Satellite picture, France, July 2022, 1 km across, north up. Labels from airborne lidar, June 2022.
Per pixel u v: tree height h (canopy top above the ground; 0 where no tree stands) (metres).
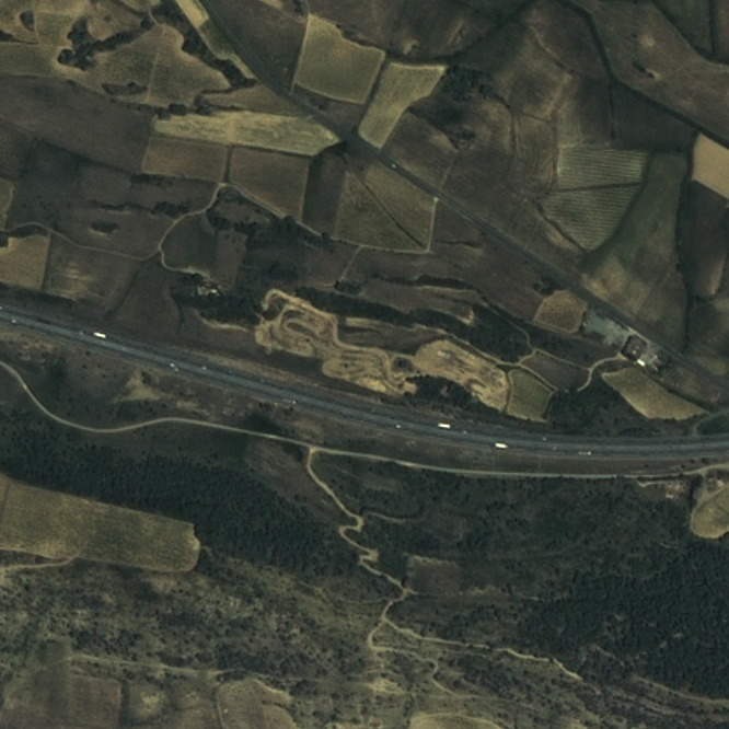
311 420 0
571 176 0
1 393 0
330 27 0
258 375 0
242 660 10
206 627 11
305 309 0
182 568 0
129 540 0
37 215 0
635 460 0
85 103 0
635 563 9
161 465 10
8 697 0
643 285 0
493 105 0
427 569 0
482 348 8
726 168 0
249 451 0
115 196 0
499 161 0
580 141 0
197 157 0
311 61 0
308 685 11
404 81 0
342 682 0
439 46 0
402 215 0
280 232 6
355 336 0
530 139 0
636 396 0
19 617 0
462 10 0
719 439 0
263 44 0
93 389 0
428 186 0
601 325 0
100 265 0
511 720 0
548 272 0
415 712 0
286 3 0
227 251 0
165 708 0
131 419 10
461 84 11
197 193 0
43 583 0
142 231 0
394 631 0
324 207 0
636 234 0
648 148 0
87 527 0
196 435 0
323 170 0
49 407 0
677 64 0
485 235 0
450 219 0
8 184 0
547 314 0
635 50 0
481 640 0
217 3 0
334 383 0
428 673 0
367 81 0
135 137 0
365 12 0
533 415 0
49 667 0
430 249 0
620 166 0
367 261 0
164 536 0
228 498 11
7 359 0
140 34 0
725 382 0
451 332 6
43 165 0
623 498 7
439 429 0
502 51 0
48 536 0
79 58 8
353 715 0
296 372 0
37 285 0
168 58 0
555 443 0
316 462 0
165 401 0
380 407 0
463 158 0
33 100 0
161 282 0
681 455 0
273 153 0
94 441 0
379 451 0
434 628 11
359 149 0
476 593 0
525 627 10
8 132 0
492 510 12
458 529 0
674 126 0
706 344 0
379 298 0
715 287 0
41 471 10
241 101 0
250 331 0
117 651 9
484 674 11
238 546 10
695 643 6
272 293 0
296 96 0
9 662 0
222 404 0
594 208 0
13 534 0
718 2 0
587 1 0
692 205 0
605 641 10
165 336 0
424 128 0
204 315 6
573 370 0
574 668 12
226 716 0
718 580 8
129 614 0
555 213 0
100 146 0
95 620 0
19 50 0
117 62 0
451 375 0
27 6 0
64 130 0
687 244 0
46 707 0
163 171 0
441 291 0
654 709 0
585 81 0
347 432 0
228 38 0
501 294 0
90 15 0
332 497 7
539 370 0
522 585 0
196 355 0
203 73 0
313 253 0
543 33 0
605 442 0
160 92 0
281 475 0
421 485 7
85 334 0
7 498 0
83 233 0
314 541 7
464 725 0
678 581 13
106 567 0
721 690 11
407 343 0
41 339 0
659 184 0
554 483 13
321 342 0
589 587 17
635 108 0
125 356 0
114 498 8
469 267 0
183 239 0
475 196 0
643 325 0
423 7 0
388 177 0
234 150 0
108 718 0
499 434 0
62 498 0
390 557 0
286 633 0
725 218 0
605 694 12
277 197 0
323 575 11
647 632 13
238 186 0
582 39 0
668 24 0
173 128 0
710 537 0
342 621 0
